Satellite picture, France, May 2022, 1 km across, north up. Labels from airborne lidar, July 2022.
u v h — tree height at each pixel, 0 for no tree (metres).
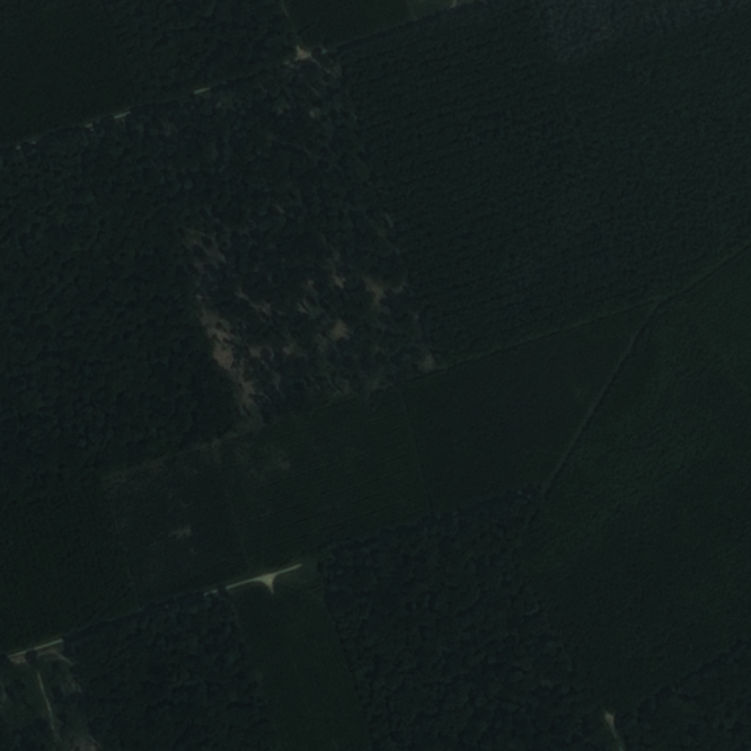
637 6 25
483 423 7
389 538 26
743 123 17
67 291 30
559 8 34
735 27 19
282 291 28
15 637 13
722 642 15
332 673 6
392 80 21
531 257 18
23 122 13
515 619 27
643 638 15
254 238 14
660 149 20
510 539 28
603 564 12
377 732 16
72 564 12
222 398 34
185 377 33
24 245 27
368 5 7
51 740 28
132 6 23
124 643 23
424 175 16
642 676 15
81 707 28
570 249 18
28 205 28
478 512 20
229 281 31
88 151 28
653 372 12
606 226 20
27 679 0
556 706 25
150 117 27
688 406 9
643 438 13
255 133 30
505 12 19
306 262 28
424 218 21
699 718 29
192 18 28
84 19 17
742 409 10
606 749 32
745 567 13
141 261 34
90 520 12
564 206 19
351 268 31
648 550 12
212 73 26
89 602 12
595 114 19
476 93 20
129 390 30
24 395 33
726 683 25
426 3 0
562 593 14
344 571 29
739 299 6
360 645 10
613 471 13
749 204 20
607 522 10
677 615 15
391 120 20
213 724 28
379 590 32
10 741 28
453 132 18
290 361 30
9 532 13
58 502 11
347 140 22
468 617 28
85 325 29
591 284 19
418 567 32
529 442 6
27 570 12
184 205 27
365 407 8
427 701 23
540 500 32
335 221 28
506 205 17
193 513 6
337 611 26
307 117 29
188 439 29
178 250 29
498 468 7
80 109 15
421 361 25
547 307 19
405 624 33
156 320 32
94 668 24
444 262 19
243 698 20
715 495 14
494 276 17
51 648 0
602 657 14
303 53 0
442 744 31
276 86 23
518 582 19
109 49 14
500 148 21
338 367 25
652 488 11
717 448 12
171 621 26
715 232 18
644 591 11
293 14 6
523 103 20
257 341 32
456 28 20
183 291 28
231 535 6
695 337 11
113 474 7
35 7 14
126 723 24
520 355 6
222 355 0
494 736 29
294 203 29
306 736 6
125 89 14
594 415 7
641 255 17
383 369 28
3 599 12
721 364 11
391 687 23
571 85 19
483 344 19
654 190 17
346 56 20
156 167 26
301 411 29
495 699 27
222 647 27
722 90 19
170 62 15
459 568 31
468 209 18
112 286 33
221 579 7
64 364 29
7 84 15
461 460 7
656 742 29
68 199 27
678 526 13
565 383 7
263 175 33
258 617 6
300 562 0
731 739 25
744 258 6
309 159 30
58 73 15
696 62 19
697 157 21
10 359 28
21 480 28
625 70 21
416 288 19
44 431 29
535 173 19
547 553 14
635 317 7
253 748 24
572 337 7
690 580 14
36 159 32
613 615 13
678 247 19
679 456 13
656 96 18
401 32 16
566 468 12
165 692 28
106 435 29
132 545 6
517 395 7
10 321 11
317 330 28
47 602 12
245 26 29
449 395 6
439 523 24
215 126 30
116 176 27
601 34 28
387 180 21
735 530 11
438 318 21
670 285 17
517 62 22
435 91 22
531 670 35
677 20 24
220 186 28
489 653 28
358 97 20
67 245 31
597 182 18
